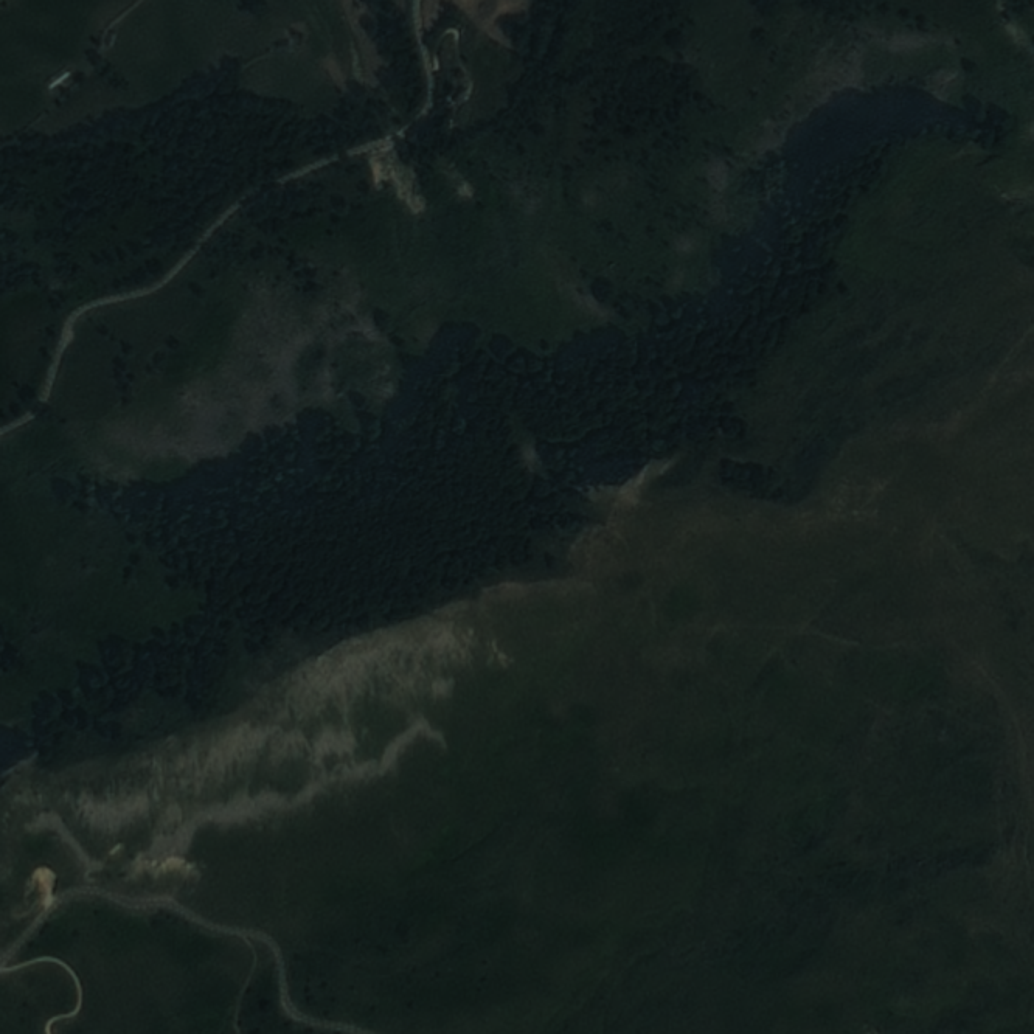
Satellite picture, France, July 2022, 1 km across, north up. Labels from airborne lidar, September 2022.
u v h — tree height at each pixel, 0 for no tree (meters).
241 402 0
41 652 0
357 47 0
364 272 0
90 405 0
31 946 6
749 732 0
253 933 0
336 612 14
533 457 0
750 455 0
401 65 20
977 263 0
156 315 0
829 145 11
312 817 0
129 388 20
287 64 0
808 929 0
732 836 0
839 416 0
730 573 0
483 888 0
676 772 0
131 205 14
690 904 0
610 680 0
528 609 0
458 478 24
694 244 0
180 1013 0
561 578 0
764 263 18
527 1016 0
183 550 14
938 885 0
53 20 0
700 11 0
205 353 0
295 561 25
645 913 0
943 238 0
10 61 0
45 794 0
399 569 19
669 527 0
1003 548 0
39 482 0
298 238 0
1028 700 0
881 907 0
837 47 0
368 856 0
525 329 0
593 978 0
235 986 0
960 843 0
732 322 24
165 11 0
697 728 0
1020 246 0
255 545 22
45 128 0
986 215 0
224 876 0
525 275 0
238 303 0
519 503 21
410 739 0
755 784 0
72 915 0
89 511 8
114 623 0
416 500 23
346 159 16
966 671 0
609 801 0
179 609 0
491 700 0
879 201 0
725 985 0
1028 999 0
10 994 0
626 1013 0
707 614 0
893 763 0
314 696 0
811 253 18
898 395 0
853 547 0
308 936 0
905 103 9
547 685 0
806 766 0
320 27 0
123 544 0
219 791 0
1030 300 0
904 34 0
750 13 0
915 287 0
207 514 24
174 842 0
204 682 18
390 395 0
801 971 0
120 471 0
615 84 10
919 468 0
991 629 0
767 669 0
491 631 0
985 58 0
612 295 15
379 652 0
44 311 0
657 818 0
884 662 0
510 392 20
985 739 0
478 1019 0
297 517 26
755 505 0
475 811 0
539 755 0
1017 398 0
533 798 0
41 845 0
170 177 8
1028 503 0
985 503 0
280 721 0
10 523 0
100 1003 0
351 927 0
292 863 0
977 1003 0
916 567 0
